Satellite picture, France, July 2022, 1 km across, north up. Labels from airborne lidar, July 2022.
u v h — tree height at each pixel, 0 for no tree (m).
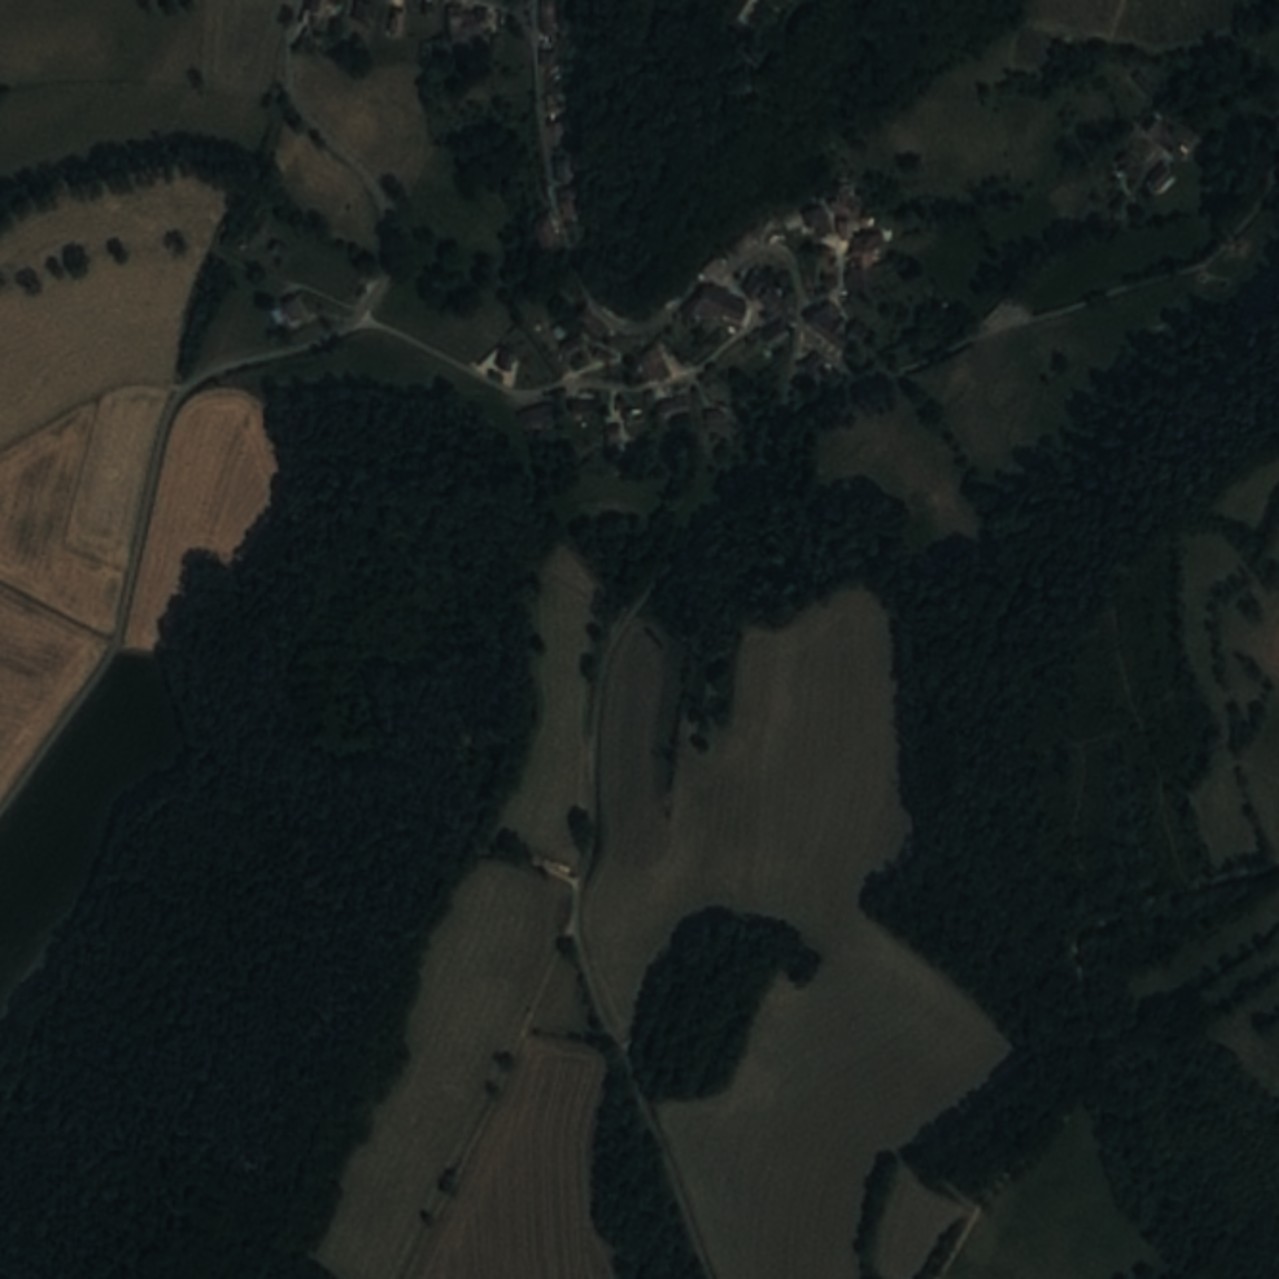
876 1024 0
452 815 29
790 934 19
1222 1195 8
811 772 0
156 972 16
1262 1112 11
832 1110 0
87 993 16
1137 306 0
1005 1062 0
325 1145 18
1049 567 24
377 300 0
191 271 0
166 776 18
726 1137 0
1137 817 12
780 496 30
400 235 25
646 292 29
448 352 0
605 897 0
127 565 0
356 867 23
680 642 21
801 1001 0
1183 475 17
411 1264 0
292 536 20
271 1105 16
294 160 0
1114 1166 19
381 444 27
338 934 24
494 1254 0
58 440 0
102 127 0
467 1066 0
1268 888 16
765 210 10
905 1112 0
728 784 0
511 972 0
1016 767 16
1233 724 8
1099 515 26
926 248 0
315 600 21
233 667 22
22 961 0
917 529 0
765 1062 0
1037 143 0
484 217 0
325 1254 0
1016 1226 0
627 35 19
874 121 25
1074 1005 18
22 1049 18
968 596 32
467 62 28
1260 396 28
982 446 0
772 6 14
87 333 0
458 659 22
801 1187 0
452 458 19
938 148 0
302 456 23
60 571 0
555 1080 0
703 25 23
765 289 0
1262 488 0
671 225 19
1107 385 21
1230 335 7
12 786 0
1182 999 17
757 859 0
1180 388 33
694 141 18
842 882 0
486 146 16
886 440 0
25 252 0
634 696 0
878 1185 16
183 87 0
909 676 25
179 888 17
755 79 18
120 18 0
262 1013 24
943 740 23
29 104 0
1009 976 18
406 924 16
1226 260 0
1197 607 0
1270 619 0
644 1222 20
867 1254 12
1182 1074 11
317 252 0
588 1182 0
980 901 18
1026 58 0
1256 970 0
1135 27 0
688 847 0
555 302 21
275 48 0
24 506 0
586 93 19
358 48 17
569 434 8
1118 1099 20
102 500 0
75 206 0
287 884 17
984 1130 19
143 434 0
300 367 0
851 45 28
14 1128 16
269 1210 17
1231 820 0
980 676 22
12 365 0
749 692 0
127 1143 23
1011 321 0
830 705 0
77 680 0
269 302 15
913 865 21
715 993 13
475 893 0
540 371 0
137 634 0
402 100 0
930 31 21
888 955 0
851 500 28
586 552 15
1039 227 0
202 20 0
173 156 20
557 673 0
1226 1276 15
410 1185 0
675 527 8
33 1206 17
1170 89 10
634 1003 0
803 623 0
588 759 0
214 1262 15
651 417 6
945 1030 0
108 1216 20
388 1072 19
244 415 0
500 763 20
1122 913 14
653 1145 15
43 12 0
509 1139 0
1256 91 16
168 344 0
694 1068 14
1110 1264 0
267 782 25
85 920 17
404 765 25
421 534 15
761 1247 0
